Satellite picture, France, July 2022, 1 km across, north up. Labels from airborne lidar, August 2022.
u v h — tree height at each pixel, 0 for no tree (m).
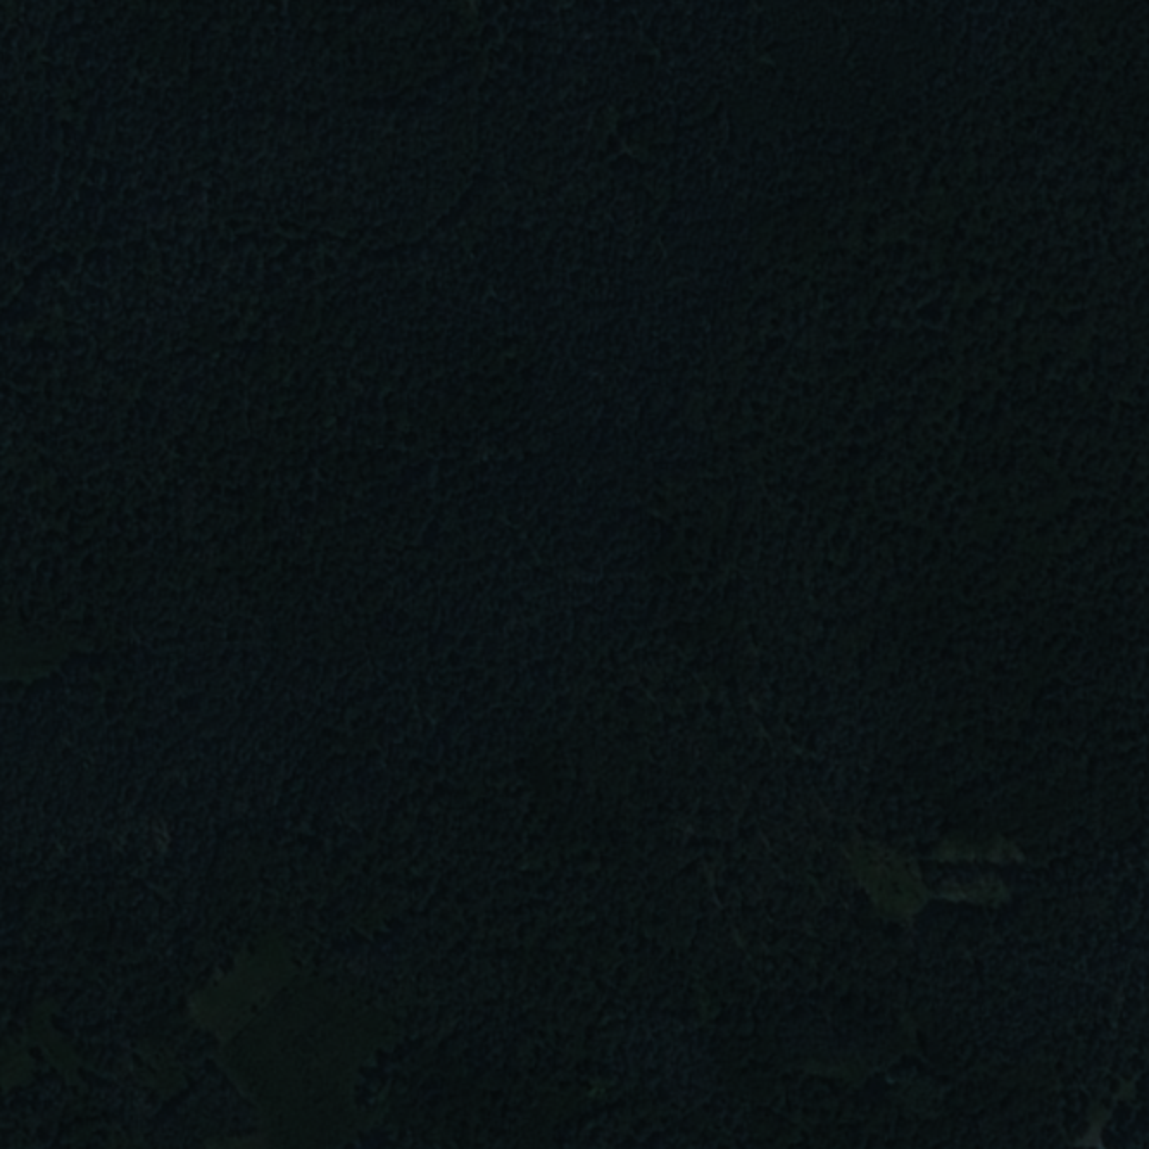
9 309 13
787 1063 22
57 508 15
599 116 17
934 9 17
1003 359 14
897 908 0
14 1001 18
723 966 20
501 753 25
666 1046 31
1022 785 18
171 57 28
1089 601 12
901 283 8
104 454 23
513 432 23
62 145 13
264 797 24
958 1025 21
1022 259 14
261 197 21
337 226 17
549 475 24
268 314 25
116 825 26
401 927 25
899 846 25
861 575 19
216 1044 21
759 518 21
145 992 17
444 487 36
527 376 22
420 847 19
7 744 26
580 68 24
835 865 23
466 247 16
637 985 16
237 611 20
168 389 25
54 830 26
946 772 24
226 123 22
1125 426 23
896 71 17
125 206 25
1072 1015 23
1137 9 14
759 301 19
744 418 23
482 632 28
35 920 7
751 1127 25
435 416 18
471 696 31
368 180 22
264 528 19
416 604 28
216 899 21
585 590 28
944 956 17
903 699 26
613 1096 18
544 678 29
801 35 17
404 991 26
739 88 18
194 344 8
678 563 11
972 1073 16
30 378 26
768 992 23
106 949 21
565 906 18
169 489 17
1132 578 15
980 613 16
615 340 23
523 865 15
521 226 15
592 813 16
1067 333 20
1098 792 25
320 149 20
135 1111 28
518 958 17
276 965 0
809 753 17
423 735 23
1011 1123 28
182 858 28
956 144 13
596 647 29
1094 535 13
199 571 14
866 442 9
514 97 14
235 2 17
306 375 20
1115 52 11
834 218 19
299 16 23
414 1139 27
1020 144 18
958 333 18
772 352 17
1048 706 16
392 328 25
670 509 10
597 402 27
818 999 22
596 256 19
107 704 8
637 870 24
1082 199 26
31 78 31
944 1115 23
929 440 21
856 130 19
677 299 28
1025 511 9
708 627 25
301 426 13
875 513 14
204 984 17
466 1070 20
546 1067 14
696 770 22
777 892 21
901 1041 26
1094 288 14
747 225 22
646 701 19
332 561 18
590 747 24
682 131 29
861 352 18
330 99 19
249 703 24
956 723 22
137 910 18
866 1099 21
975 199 12
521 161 19
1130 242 23
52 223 31
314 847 25
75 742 28
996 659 6
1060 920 19
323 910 11
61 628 14
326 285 17
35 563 10
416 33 19
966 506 22
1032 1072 13
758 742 20
